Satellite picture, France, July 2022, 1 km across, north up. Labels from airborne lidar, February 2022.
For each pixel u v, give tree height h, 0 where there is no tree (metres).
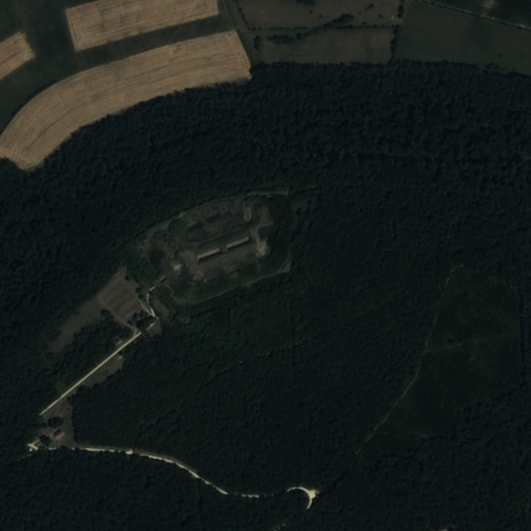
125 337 14
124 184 27
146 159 30
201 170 26
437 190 17
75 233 27
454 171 30
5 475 17
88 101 0
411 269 17
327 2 0
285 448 21
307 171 22
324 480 21
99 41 0
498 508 17
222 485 20
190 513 22
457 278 0
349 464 22
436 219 23
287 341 12
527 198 21
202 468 19
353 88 30
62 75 0
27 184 25
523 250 21
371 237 20
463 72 24
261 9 0
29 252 34
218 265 0
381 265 19
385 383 24
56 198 28
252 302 14
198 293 0
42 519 18
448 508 23
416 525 25
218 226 0
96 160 30
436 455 20
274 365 13
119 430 15
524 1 0
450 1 0
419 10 0
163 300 12
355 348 18
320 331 12
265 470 22
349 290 20
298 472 22
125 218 22
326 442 24
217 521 21
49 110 0
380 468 22
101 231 28
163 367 13
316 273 18
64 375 15
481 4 0
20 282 28
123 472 21
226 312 6
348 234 19
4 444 14
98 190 28
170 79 0
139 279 7
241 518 18
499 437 19
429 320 19
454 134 30
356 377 20
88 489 20
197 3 0
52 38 0
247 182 19
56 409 0
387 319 19
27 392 17
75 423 15
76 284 23
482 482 18
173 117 26
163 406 15
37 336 16
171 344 10
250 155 25
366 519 12
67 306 14
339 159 27
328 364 15
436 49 0
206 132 11
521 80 24
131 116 21
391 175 25
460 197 17
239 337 12
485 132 21
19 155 0
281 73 25
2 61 0
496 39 0
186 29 0
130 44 0
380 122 17
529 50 0
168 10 0
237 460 21
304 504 17
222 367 15
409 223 19
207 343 10
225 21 0
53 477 19
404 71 19
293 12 0
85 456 21
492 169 35
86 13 0
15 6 0
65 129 0
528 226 15
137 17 0
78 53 0
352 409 25
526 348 21
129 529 18
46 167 8
